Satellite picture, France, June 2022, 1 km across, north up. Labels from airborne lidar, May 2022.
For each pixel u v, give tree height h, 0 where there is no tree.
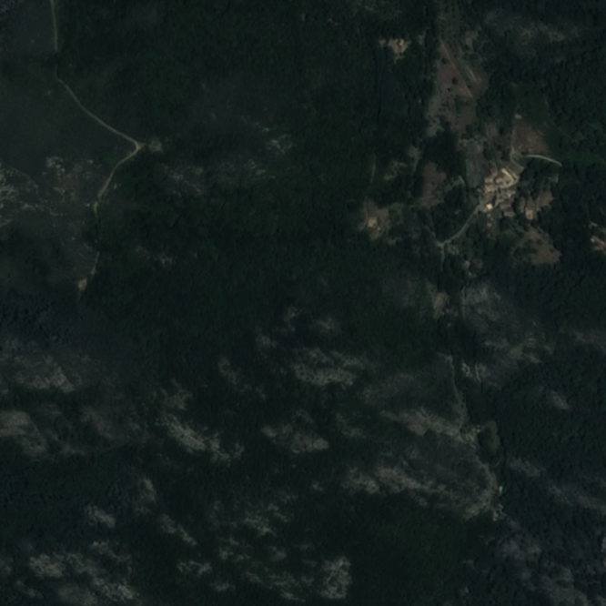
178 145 7
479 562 12
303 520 11
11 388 7
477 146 0
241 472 15
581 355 14
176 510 12
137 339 9
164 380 8
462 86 0
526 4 17
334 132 12
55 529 14
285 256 12
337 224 15
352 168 15
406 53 10
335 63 9
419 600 19
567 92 13
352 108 15
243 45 9
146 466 11
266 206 12
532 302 12
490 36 8
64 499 19
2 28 9
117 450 9
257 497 8
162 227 19
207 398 18
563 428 18
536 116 0
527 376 14
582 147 15
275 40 9
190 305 12
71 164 0
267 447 15
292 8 15
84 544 10
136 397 7
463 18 6
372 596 16
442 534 15
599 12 10
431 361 7
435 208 7
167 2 11
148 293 15
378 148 11
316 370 8
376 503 13
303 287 6
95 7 7
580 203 11
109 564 10
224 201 13
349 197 20
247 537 13
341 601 16
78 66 8
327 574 6
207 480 13
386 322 14
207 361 8
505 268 6
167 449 9
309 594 10
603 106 17
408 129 9
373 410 7
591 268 24
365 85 12
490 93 8
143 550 17
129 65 7
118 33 8
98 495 12
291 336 10
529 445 16
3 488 33
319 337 9
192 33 10
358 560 17
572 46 10
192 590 19
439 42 9
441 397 8
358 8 9
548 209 11
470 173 0
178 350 8
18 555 7
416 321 17
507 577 13
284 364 7
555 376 17
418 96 16
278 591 9
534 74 21
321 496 12
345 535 14
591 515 12
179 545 12
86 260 0
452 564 19
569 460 11
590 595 15
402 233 9
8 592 9
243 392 6
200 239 15
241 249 20
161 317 10
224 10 8
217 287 10
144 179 10
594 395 10
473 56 6
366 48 13
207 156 7
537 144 0
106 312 8
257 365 9
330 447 9
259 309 12
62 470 14
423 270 8
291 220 17
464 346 7
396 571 21
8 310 8
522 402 11
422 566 21
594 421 13
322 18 16
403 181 17
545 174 10
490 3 8
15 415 0
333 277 10
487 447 17
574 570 6
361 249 10
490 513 12
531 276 14
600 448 12
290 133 7
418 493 8
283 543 14
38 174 0
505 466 10
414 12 10
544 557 10
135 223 14
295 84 6
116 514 13
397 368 9
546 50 7
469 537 16
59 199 0
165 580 20
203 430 7
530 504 14
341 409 6
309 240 23
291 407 6
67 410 10
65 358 0
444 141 12
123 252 13
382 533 15
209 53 8
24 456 8
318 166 16
